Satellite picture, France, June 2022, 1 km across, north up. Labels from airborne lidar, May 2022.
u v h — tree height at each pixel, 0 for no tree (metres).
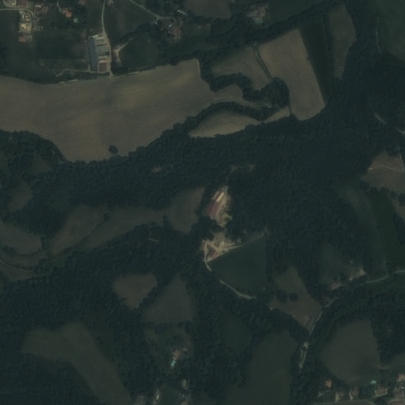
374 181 0
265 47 0
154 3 21
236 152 16
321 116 17
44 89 0
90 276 23
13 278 0
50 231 19
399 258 0
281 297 17
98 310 20
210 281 24
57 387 15
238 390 0
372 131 25
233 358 12
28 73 0
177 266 24
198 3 0
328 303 9
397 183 0
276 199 19
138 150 12
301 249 29
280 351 0
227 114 0
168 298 0
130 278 0
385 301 31
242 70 0
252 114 11
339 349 0
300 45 0
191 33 0
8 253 18
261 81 0
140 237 19
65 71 0
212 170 9
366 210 0
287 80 0
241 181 26
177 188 12
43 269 25
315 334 13
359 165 14
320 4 10
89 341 0
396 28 0
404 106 0
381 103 8
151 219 0
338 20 0
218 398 9
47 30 0
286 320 20
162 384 9
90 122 0
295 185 30
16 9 0
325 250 0
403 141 12
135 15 0
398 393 0
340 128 20
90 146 0
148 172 23
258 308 19
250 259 0
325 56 0
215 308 28
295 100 0
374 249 0
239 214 22
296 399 12
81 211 0
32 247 0
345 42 0
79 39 0
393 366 0
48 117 0
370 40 22
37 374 19
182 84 0
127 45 0
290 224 26
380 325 23
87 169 19
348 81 21
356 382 0
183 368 13
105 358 0
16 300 27
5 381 16
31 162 23
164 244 20
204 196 10
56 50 0
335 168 20
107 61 0
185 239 20
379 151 25
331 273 0
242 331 0
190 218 0
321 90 0
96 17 0
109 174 23
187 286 8
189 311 0
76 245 0
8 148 31
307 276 10
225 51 19
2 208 24
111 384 0
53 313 24
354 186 0
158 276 17
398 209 0
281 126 20
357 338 0
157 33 23
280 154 23
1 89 0
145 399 0
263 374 0
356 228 21
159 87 0
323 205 28
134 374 28
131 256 18
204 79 13
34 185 7
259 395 0
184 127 15
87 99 0
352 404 0
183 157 8
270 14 0
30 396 17
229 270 0
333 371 0
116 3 0
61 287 10
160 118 0
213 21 18
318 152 19
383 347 10
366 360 0
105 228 0
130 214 0
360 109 17
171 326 8
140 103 0
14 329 24
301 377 24
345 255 10
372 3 0
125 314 31
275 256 10
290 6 0
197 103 0
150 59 0
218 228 24
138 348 10
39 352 0
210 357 21
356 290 8
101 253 17
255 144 30
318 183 17
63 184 12
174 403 0
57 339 0
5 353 20
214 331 24
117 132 0
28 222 18
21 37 0
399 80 23
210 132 0
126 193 18
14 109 0
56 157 11
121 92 0
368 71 21
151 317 0
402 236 17
